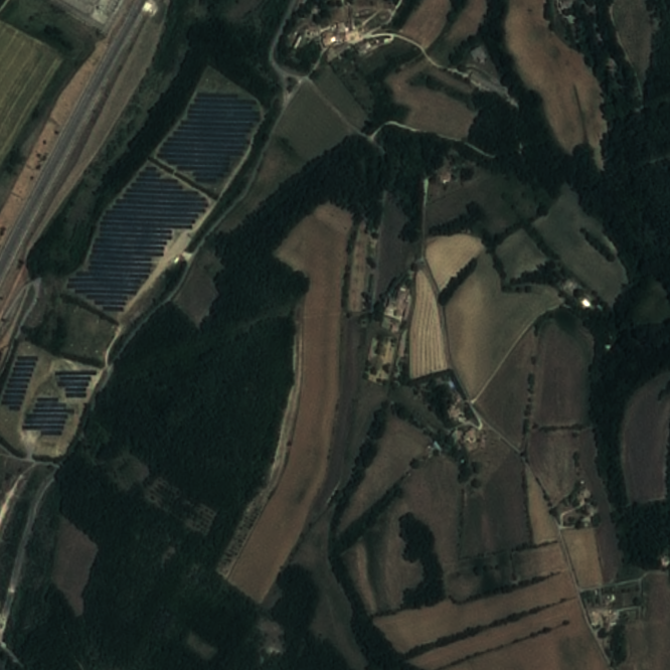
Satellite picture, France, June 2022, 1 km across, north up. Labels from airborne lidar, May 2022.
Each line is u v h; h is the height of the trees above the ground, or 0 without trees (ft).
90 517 47
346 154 57
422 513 0
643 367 62
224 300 39
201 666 42
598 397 48
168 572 25
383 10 0
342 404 0
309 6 43
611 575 0
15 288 0
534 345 0
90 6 0
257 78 24
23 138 0
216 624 36
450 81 0
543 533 0
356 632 33
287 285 35
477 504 0
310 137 0
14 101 0
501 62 70
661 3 26
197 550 34
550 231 0
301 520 0
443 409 38
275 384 21
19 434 0
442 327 0
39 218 0
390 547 0
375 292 0
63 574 0
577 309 21
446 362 0
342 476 0
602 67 64
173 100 27
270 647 0
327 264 0
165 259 0
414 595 32
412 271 32
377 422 38
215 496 29
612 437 50
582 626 0
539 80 0
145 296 0
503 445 0
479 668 0
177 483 34
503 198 28
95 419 21
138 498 37
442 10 0
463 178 41
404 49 0
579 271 0
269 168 0
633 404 0
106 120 0
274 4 25
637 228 32
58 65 0
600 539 0
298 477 0
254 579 0
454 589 0
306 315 0
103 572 36
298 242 0
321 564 0
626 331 83
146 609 29
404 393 0
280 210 41
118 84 0
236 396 33
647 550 32
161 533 31
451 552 0
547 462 0
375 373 22
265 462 39
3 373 21
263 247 52
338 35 0
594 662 0
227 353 24
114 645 39
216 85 0
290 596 21
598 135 0
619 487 39
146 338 31
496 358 0
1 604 0
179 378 38
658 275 85
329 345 0
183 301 0
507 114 62
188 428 33
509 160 58
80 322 0
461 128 0
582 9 32
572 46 22
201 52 20
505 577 0
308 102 0
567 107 0
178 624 21
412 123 0
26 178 0
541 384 0
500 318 0
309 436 0
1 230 29
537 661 0
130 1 0
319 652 21
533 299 0
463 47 31
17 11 0
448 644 24
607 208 69
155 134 26
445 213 0
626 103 60
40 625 31
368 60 0
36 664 34
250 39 30
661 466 0
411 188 36
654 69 32
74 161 0
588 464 0
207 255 0
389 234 0
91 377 0
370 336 0
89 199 0
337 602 0
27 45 0
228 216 0
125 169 19
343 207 38
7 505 0
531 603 0
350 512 0
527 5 0
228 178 0
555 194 48
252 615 23
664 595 0
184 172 0
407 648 0
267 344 25
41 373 0
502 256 0
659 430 0
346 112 0
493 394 0
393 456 0
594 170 62
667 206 46
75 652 32
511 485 0
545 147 41
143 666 25
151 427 55
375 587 0
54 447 0
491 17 53
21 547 0
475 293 0
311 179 60
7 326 0
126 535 35
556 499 0
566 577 0
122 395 26
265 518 0
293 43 0
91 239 28
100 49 0
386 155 20
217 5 46
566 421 0
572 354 0
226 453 28
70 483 41
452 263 0
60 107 0
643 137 36
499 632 0
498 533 0
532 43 0
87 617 42
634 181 56
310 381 0
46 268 18
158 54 21
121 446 41
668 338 73
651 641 0
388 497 29
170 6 28
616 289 0
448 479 0
